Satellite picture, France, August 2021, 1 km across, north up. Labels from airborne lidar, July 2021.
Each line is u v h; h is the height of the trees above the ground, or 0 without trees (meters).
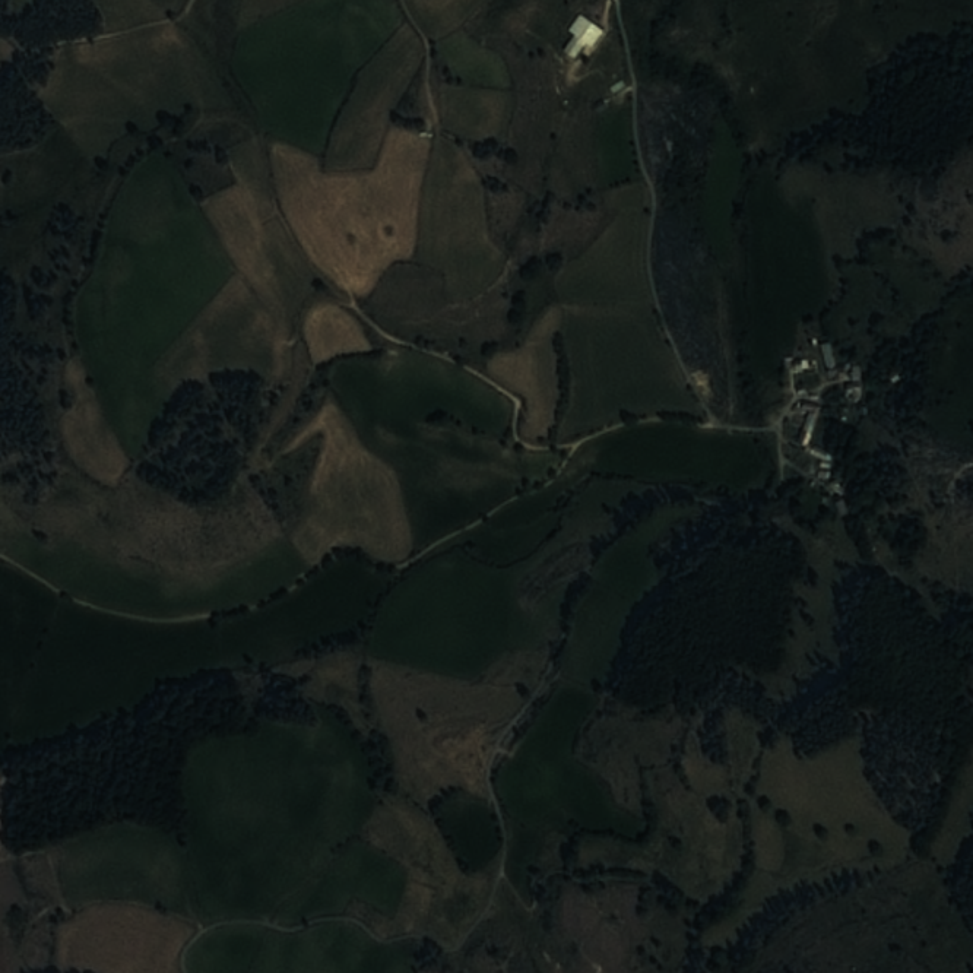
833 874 0
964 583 0
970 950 0
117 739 11
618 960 0
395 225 0
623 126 0
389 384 0
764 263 0
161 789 22
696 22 0
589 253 0
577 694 0
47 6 18
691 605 20
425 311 0
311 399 6
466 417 0
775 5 0
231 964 0
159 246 0
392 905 0
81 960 0
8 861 0
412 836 0
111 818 7
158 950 0
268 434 0
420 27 0
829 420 7
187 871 0
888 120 25
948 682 20
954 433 0
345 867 0
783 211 0
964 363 0
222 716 22
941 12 0
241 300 0
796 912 21
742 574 15
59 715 0
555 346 9
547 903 12
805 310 0
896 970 0
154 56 0
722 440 0
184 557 0
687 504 10
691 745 0
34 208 0
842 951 0
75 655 0
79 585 0
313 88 0
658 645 22
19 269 0
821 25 0
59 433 0
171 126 16
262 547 0
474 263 0
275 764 0
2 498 0
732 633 15
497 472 0
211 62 0
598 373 0
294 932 0
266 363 0
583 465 0
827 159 0
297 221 0
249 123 0
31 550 0
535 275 16
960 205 0
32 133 14
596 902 0
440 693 0
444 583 0
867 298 0
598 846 0
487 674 0
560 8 0
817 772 0
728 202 0
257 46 0
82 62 0
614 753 0
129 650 0
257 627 0
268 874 0
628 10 0
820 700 24
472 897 0
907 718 18
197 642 0
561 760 0
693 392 10
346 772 0
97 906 0
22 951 0
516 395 0
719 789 0
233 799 0
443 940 0
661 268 0
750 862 13
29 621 0
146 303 0
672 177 11
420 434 0
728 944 0
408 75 0
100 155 0
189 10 0
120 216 0
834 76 0
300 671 0
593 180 0
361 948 0
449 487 0
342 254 0
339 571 0
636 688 22
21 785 13
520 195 0
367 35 0
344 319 0
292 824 0
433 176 0
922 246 0
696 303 0
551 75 0
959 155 6
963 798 0
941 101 18
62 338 0
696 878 0
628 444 0
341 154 0
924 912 0
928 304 0
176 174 0
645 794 7
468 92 0
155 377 0
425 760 0
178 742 19
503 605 0
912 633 20
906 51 14
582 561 0
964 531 0
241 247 0
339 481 0
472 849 0
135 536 0
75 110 0
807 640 0
